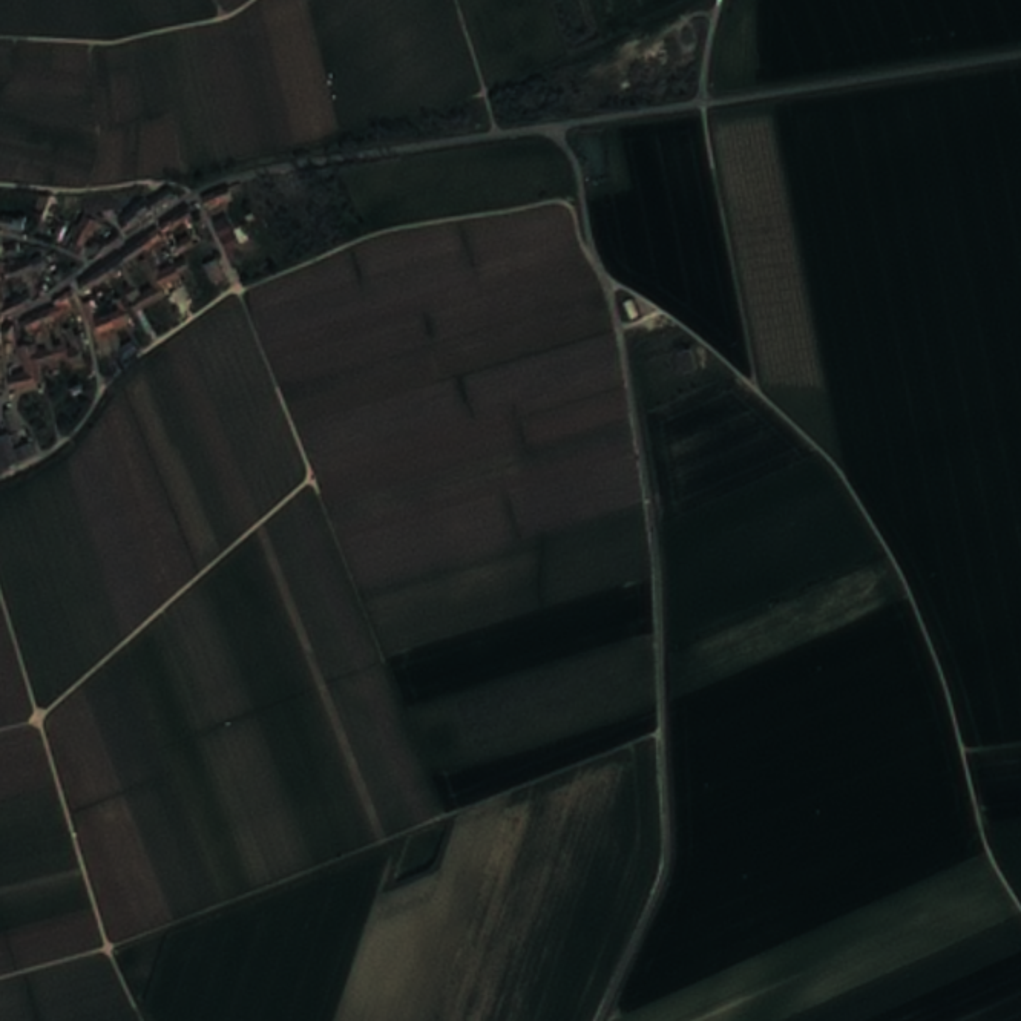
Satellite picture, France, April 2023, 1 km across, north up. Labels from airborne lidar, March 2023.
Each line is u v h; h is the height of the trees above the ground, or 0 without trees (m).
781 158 0
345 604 0
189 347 0
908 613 0
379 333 0
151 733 0
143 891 0
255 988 0
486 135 0
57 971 0
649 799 0
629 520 0
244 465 0
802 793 0
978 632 0
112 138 0
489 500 0
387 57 0
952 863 0
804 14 0
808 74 0
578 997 0
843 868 0
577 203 0
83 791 0
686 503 0
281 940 0
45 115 0
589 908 0
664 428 0
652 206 0
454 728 0
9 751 0
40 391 0
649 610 0
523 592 0
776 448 0
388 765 0
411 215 0
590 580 0
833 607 0
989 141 0
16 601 0
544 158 0
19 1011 0
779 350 0
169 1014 0
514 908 0
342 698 0
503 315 0
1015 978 0
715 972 0
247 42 0
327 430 0
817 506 0
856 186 0
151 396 0
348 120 0
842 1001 0
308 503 0
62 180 0
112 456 0
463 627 0
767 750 0
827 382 0
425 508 0
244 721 0
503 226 0
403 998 0
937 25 0
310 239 8
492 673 0
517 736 0
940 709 0
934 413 0
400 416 0
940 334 0
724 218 0
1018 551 0
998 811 0
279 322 0
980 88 0
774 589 0
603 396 0
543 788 0
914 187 0
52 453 0
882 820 0
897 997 0
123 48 0
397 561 0
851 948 0
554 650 0
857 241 0
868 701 0
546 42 0
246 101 0
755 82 0
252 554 0
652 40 0
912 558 0
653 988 0
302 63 0
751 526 0
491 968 0
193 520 0
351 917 0
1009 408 0
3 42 0
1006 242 0
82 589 0
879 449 0
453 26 0
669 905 0
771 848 0
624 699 0
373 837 0
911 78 0
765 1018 0
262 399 0
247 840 0
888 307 0
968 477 0
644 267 0
